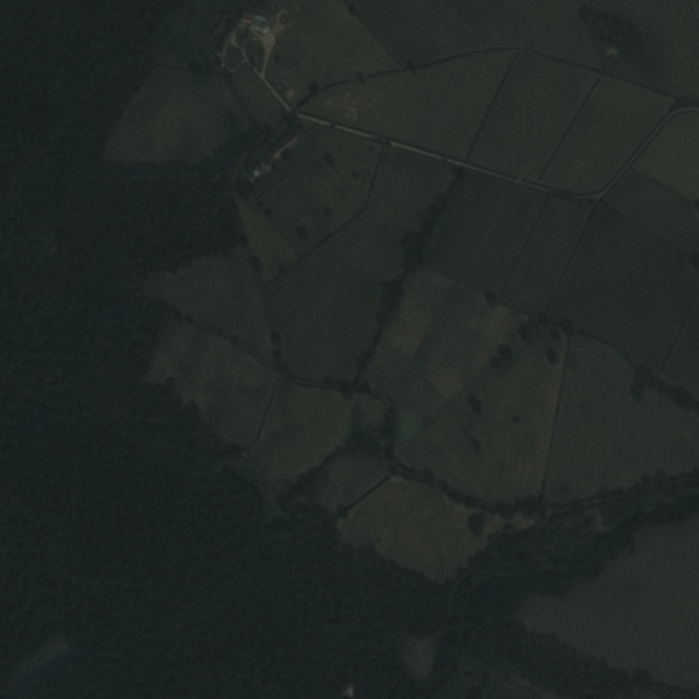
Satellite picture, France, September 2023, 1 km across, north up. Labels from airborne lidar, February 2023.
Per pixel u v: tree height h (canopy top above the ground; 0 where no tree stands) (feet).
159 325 70
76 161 69
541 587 52
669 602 0
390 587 19
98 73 63
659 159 0
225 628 65
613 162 0
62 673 61
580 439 0
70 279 57
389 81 0
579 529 0
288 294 0
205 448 64
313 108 0
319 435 0
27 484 75
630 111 0
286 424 0
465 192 0
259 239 0
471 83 0
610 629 0
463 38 0
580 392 0
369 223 0
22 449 69
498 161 0
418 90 0
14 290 64
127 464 81
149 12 63
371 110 0
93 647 77
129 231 52
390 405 31
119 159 0
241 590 61
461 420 0
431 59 0
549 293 0
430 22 0
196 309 0
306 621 77
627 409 0
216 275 0
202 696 88
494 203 0
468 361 0
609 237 0
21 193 63
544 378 0
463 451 0
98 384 48
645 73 0
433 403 0
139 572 65
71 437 70
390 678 63
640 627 0
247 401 0
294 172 0
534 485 0
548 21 0
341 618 64
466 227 0
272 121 0
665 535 0
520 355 0
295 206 0
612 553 32
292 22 0
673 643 0
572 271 0
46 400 73
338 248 0
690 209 0
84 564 69
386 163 0
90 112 58
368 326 0
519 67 0
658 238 0
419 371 0
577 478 0
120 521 64
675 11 0
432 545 0
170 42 0
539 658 50
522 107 0
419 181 0
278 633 71
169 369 0
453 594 35
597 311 0
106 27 60
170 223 53
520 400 0
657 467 0
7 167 57
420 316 0
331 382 34
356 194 0
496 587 68
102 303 72
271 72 0
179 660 60
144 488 71
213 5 0
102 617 68
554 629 0
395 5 0
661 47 0
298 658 65
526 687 0
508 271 0
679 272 0
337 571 52
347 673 60
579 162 0
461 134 0
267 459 0
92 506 84
